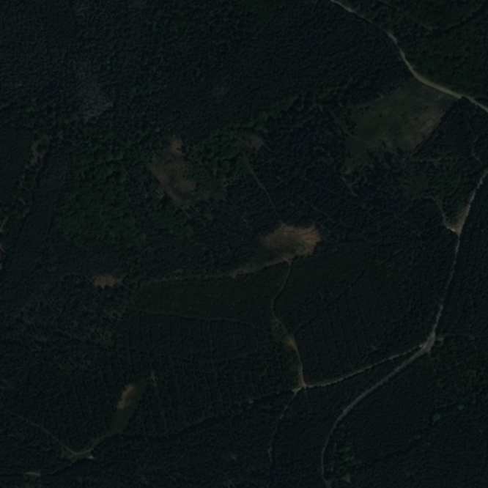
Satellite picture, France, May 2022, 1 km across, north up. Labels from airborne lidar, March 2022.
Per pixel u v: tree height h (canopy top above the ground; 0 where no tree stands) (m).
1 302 24
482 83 25
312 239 0
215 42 16
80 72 23
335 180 23
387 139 0
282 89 25
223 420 26
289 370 9
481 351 13
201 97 22
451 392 13
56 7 16
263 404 22
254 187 20
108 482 23
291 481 22
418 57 23
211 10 21
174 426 10
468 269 19
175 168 0
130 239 19
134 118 22
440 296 19
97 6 29
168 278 19
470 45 23
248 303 9
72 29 15
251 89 22
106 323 17
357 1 31
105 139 10
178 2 21
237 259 20
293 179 21
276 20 24
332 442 16
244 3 23
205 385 12
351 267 9
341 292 10
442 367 13
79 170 19
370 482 14
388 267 16
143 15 25
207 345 8
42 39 23
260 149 0
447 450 20
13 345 25
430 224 18
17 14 27
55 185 18
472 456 19
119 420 0
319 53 27
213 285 6
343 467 11
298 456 14
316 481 18
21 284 20
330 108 46
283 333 6
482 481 17
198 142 16
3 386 22
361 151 0
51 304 16
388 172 12
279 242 0
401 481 23
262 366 9
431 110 0
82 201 21
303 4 24
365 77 21
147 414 6
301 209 18
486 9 18
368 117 0
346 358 10
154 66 24
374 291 10
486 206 17
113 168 22
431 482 20
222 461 21
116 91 15
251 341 10
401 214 20
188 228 23
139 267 21
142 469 27
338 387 11
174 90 17
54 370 8
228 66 24
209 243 21
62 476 22
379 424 12
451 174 9
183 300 6
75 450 10
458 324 16
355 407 10
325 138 44
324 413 6
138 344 11
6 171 15
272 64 23
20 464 15
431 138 6
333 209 23
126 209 23
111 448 31
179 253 12
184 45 21
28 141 18
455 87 23
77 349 24
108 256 18
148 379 10
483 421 23
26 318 19
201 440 24
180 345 10
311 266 8
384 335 8
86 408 12
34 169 14
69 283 17
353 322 12
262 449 18
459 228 0
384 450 12
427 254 16
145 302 6
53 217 17
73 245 22
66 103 21
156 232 20
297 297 9
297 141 39
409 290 11
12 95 25
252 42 27
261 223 22
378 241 24
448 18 25
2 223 18
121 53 21
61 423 12
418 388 13
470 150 12
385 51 26
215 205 19
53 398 9
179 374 10
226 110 19
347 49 30
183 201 0
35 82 25
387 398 11
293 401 9
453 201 6
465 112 21
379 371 10
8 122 17
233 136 10
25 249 21
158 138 17
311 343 11
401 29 26
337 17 20
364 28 24
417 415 11
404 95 0
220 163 28
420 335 14
